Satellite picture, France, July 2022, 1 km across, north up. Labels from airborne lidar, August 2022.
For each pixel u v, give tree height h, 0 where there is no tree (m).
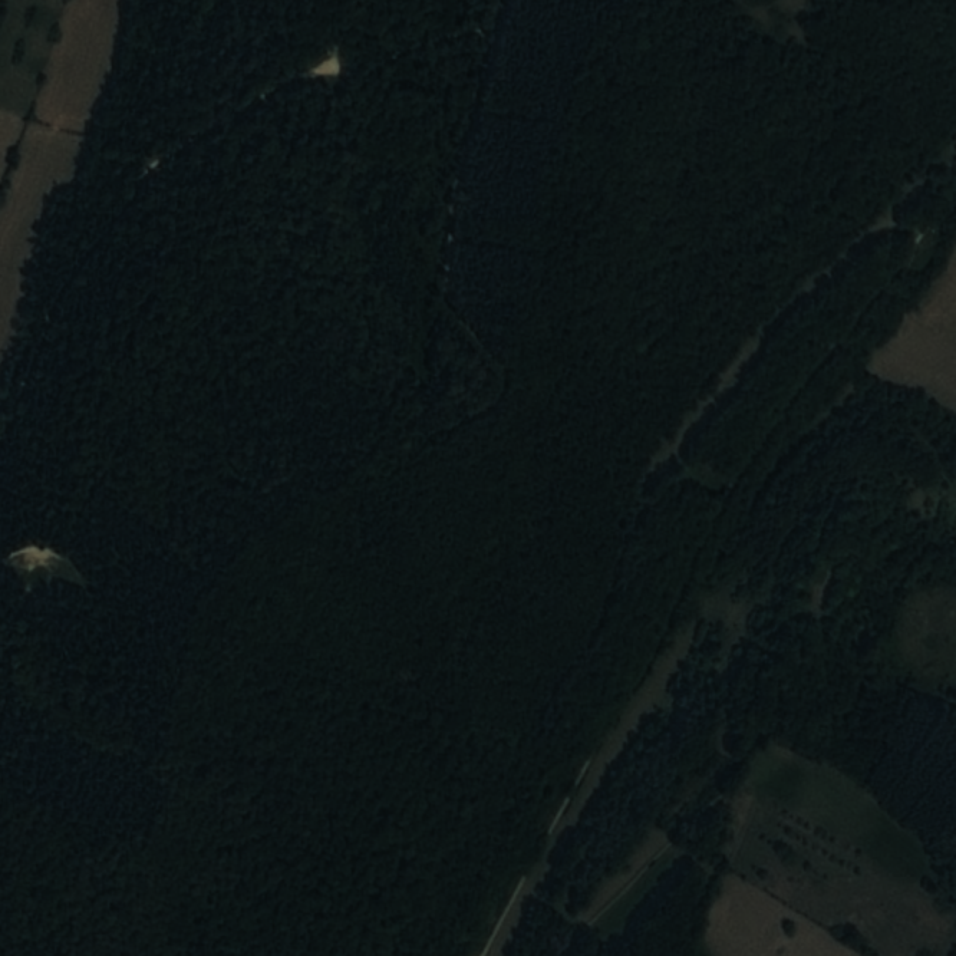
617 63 24
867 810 0
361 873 26
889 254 16
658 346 21
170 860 18
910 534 9
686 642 0
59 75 0
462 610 14
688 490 19
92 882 19
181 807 17
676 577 20
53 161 0
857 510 18
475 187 25
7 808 23
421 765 17
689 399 18
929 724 37
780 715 14
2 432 22
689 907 19
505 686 13
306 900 17
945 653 0
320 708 19
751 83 18
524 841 18
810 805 0
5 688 16
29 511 13
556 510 15
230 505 21
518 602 13
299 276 18
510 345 16
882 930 0
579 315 18
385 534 17
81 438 23
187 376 17
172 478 22
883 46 14
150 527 17
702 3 7
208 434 19
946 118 17
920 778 24
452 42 19
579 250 19
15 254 0
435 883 19
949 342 0
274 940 17
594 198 19
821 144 15
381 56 20
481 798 18
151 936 18
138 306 22
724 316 12
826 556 17
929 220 18
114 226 18
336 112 16
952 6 18
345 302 20
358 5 21
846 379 18
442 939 17
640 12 21
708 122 16
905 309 16
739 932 0
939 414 17
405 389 26
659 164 14
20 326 19
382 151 22
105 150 22
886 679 25
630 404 17
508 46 28
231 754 25
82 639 21
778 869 0
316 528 17
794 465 22
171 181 16
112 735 24
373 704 16
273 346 18
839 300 15
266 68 27
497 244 26
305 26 24
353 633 13
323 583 14
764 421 16
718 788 7
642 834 19
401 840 14
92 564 12
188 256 25
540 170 19
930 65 10
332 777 18
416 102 22
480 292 23
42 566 0
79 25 0
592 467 17
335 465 15
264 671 17
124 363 21
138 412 17
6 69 0
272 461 19
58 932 17
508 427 16
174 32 14
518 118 26
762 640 11
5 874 15
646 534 13
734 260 20
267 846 21
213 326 18
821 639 21
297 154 29
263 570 16
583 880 23
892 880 0
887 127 17
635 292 14
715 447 16
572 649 13
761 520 23
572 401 16
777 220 18
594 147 22
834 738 26
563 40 25
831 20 11
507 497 15
